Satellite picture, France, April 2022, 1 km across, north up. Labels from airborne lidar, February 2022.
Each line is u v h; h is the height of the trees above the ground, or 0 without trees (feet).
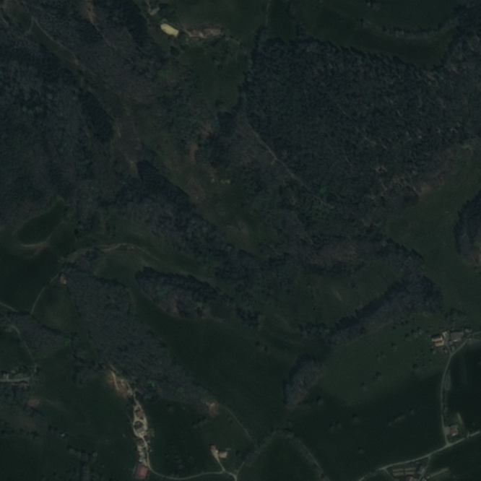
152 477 0
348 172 75
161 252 0
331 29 0
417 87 104
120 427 0
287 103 94
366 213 92
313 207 45
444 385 0
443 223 0
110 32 104
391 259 108
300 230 95
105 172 44
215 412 0
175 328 0
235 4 0
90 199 94
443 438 0
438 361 0
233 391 0
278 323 0
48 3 76
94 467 0
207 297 83
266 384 0
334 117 96
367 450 0
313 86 90
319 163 91
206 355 0
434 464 0
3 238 0
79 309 62
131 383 110
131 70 100
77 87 100
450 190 0
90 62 97
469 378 0
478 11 95
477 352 0
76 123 128
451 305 0
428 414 0
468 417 0
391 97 23
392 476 0
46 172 64
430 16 0
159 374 111
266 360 0
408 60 0
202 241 70
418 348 0
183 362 0
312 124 86
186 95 70
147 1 0
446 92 99
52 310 0
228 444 0
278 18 0
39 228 0
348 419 0
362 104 85
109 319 97
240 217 0
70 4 71
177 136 60
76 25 87
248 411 0
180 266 0
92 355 0
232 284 33
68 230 0
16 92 99
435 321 0
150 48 81
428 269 0
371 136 80
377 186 88
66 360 0
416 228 0
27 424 0
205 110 62
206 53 0
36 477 0
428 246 0
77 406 0
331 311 0
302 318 0
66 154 106
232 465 0
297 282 67
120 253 0
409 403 0
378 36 0
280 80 91
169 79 110
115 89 103
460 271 0
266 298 43
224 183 0
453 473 0
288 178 98
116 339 107
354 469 0
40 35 0
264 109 93
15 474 0
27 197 56
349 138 86
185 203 114
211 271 46
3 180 45
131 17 78
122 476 0
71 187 79
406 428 0
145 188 81
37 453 0
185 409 0
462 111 96
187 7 0
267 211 80
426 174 88
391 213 86
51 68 81
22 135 52
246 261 98
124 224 0
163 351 98
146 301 0
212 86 0
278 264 66
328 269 88
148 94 116
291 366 0
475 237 77
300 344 0
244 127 94
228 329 0
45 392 0
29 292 0
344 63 102
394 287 0
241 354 0
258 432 0
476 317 0
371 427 0
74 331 0
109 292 97
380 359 25
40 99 90
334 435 0
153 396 91
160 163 75
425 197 0
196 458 0
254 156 101
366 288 0
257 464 0
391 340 0
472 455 0
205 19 0
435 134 107
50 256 0
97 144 38
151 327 0
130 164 0
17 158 46
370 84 100
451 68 78
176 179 0
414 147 33
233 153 97
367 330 91
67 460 0
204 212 0
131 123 0
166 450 0
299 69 104
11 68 114
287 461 0
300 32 60
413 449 0
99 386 0
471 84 88
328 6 0
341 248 92
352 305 0
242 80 0
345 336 81
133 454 0
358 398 0
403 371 0
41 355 66
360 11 0
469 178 0
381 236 68
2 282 0
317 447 0
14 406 50
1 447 0
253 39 0
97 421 0
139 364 104
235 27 0
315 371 107
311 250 92
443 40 0
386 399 0
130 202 81
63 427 0
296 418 0
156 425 0
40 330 83
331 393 0
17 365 0
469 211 66
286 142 82
